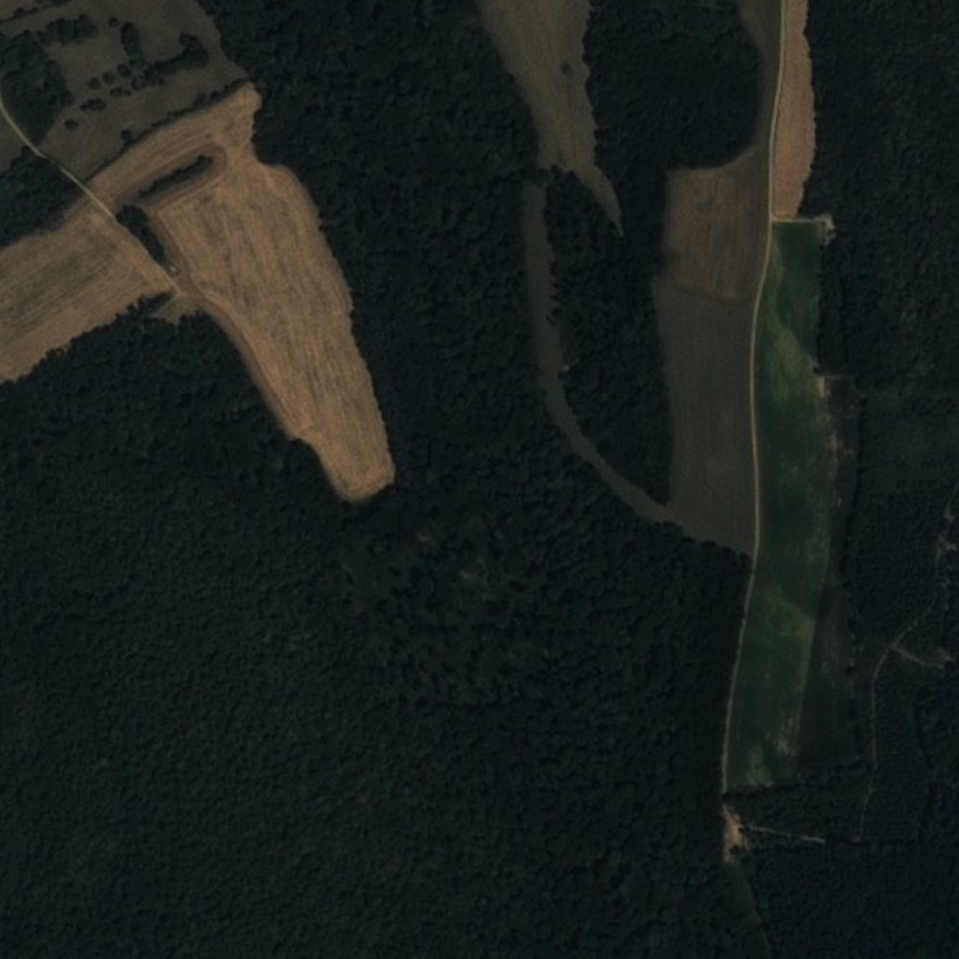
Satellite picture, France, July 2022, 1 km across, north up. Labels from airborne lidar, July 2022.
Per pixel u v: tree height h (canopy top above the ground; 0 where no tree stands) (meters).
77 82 0
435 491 25
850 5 17
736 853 13
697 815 22
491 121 17
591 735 30
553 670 30
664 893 32
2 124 0
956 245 14
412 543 25
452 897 14
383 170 29
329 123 26
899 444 0
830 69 15
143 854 14
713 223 0
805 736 0
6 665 17
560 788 29
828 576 0
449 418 29
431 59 29
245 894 9
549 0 0
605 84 20
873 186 14
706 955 31
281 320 0
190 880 8
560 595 8
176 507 14
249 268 0
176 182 11
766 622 0
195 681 10
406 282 27
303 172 19
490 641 25
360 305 19
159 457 20
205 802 10
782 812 10
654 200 16
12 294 0
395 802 14
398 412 24
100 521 12
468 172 26
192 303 0
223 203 0
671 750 25
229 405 21
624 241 11
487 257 20
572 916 31
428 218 30
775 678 0
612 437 26
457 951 17
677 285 0
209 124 0
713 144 19
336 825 12
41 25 0
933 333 15
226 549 13
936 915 19
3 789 12
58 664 13
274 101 19
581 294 21
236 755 8
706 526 0
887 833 7
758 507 0
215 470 21
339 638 18
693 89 19
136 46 14
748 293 0
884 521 6
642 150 22
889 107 13
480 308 27
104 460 16
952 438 0
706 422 0
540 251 0
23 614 12
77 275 0
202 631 11
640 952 34
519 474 30
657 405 17
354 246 24
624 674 25
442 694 20
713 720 20
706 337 0
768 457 0
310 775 14
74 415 18
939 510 7
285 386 0
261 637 14
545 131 0
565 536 27
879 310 21
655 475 18
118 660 8
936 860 20
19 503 14
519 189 24
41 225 13
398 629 24
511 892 20
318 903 10
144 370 19
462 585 29
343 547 22
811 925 20
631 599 26
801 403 0
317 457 12
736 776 0
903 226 13
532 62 0
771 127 0
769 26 0
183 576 8
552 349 0
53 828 9
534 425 24
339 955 13
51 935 14
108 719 10
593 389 17
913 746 7
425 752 15
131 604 14
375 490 0
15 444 21
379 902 14
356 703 13
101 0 0
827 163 16
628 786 28
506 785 19
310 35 25
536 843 28
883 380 19
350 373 0
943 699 20
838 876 22
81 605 21
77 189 14
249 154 0
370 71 34
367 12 30
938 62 15
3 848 12
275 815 11
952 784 9
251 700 13
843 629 0
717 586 18
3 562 16
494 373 24
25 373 0
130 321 13
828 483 0
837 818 7
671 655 19
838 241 14
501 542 28
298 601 15
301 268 0
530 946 22
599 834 22
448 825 15
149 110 0
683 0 22
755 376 0
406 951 12
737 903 21
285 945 9
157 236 11
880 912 20
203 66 12
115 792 10
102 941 12
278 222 0
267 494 18
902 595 8
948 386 19
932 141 11
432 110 29
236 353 11
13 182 13
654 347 22
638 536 27
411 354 26
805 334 0
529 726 22
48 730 9
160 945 14
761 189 0
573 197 25
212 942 12
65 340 0
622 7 21
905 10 15
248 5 26
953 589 14
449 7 26
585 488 24
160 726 10
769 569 0
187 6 0
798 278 0
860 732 10
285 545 17
